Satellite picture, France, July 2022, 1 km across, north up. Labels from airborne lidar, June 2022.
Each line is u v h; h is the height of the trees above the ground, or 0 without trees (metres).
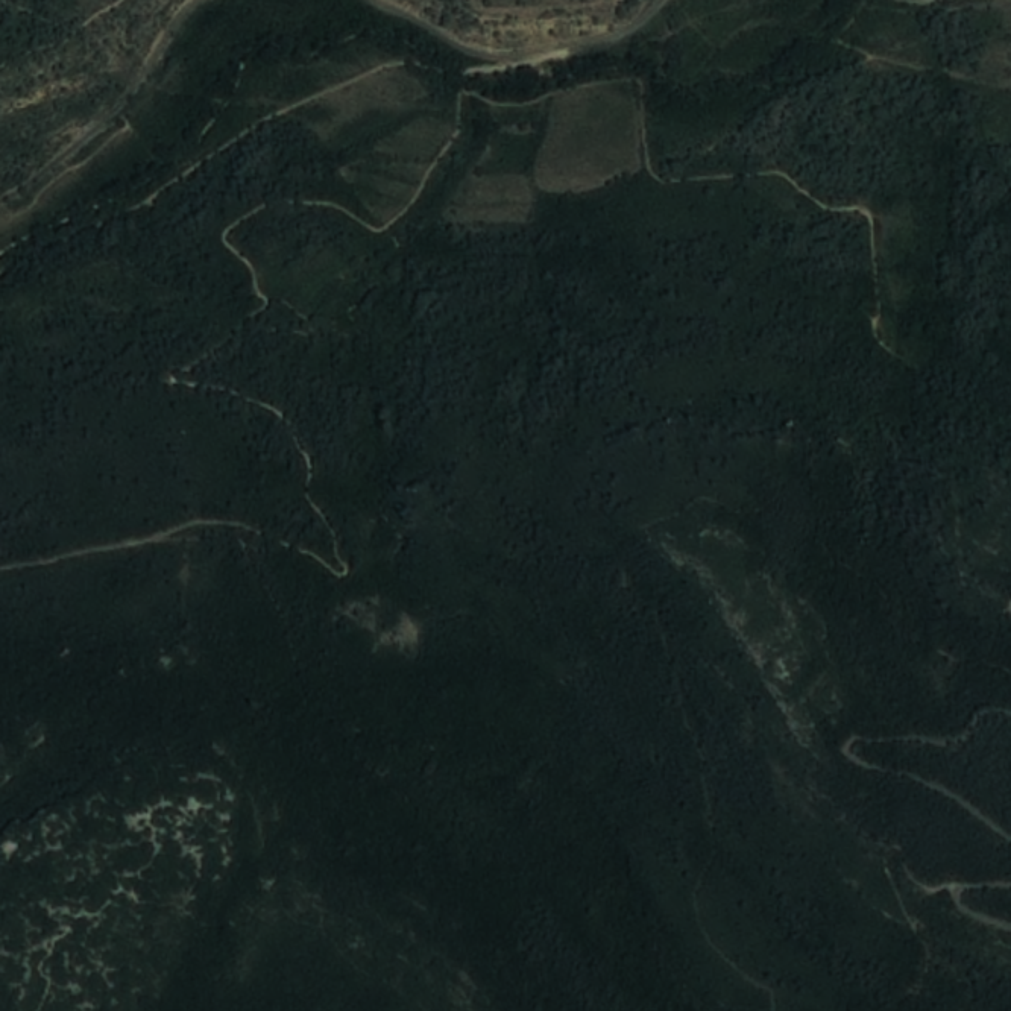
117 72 0
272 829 6
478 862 10
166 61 6
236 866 7
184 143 9
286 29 7
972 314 13
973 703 7
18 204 0
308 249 14
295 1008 6
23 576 6
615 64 18
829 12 19
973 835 8
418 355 6
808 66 12
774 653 0
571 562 7
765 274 6
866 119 10
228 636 8
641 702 6
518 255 10
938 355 8
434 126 0
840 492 14
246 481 9
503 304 6
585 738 6
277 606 7
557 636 11
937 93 14
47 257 13
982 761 9
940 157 6
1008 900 6
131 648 7
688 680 6
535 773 6
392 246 7
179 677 6
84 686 8
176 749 8
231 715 10
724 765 7
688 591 8
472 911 7
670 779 7
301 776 6
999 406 8
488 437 10
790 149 9
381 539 5
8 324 9
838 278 8
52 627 5
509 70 11
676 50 10
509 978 9
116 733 9
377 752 8
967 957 7
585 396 14
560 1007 8
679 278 9
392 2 0
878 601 9
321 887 5
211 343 6
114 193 25
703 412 5
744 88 16
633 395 11
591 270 9
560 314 7
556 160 0
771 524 12
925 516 11
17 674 9
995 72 0
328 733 7
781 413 6
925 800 9
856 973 13
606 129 0
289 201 10
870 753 8
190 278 9
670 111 6
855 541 13
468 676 6
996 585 7
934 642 7
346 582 7
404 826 7
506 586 7
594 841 8
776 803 7
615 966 7
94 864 0
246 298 7
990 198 15
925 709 8
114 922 0
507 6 0
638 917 14
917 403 15
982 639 7
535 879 6
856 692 7
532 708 5
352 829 7
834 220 12
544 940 11
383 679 6
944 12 10
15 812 7
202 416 6
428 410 10
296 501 7
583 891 7
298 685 7
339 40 24
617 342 9
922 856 8
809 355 11
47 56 8
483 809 12
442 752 6
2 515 7
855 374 8
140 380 11
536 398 11
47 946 0
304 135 13
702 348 10
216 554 11
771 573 8
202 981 6
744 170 6
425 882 8
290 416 12
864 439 13
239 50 10
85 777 9
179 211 9
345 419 12
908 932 7
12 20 14
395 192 0
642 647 9
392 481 10
